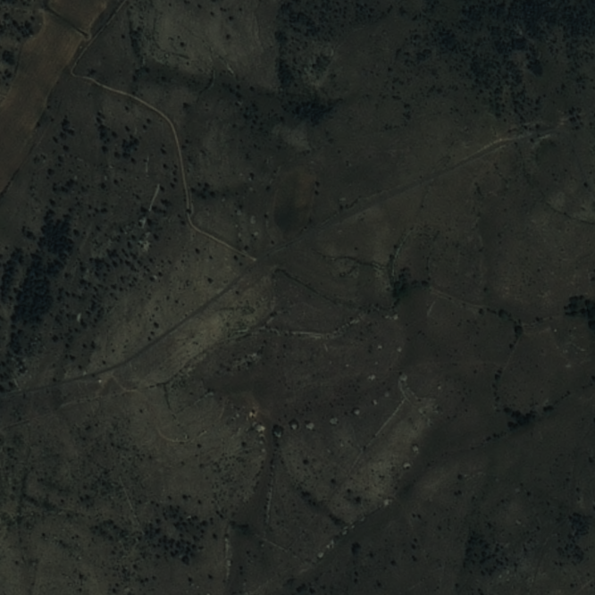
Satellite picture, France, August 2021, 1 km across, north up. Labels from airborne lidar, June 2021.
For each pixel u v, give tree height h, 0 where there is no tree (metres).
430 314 0
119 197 0
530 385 0
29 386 0
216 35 0
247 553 6
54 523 0
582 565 0
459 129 0
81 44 0
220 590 0
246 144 0
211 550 0
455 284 0
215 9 0
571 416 0
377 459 0
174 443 0
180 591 0
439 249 0
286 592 0
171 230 0
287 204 0
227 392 0
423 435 0
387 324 0
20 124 0
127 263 6
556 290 0
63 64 0
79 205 7
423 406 0
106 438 0
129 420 0
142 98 0
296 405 0
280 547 0
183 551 10
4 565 0
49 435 0
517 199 0
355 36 0
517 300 0
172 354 0
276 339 0
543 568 0
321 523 0
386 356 0
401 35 0
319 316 0
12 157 0
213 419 0
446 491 0
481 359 0
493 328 0
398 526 0
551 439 0
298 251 0
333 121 0
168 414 0
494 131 0
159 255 0
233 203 0
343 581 0
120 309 0
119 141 0
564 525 0
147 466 0
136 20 0
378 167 0
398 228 0
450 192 0
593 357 0
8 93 0
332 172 0
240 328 0
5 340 0
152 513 0
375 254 0
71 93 0
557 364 0
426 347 0
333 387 0
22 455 0
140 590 0
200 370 0
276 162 0
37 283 11
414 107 0
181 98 0
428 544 0
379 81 0
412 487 0
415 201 0
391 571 0
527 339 0
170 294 0
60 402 0
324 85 0
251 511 0
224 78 0
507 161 0
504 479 0
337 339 0
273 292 0
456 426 0
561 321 0
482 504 0
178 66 0
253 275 0
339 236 0
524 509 0
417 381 0
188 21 0
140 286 0
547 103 0
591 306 13
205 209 0
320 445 0
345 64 0
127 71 0
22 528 0
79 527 0
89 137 0
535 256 0
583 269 0
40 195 0
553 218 0
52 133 0
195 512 0
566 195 0
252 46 0
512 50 7
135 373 0
